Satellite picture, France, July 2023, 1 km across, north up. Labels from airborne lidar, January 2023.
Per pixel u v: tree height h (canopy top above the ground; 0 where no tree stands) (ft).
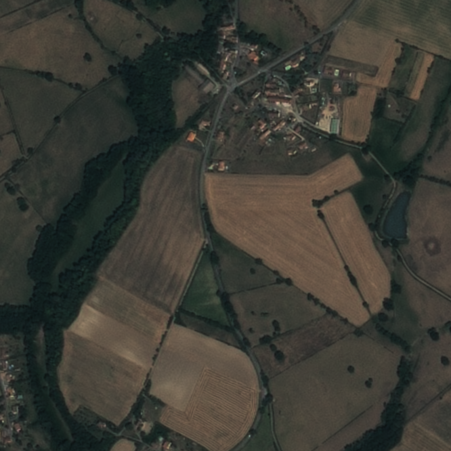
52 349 63
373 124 0
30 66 0
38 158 0
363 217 0
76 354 0
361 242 0
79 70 0
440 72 0
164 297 0
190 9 0
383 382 0
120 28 0
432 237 0
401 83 0
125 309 0
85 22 31
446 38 0
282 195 0
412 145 0
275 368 0
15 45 0
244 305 0
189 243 0
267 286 0
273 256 0
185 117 0
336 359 0
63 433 0
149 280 0
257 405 0
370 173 0
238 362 0
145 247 0
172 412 0
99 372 0
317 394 0
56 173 0
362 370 0
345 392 0
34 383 43
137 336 0
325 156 0
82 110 0
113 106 0
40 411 28
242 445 0
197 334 0
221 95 0
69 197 0
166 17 0
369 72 0
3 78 0
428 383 0
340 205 0
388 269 0
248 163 0
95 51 0
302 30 0
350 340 0
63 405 50
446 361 56
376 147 0
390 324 0
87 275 40
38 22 0
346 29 0
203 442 0
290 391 0
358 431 0
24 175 0
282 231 0
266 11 0
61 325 22
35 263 78
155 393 0
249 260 0
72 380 0
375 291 0
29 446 36
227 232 0
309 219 0
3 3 0
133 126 0
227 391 0
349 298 0
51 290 51
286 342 0
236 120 0
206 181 0
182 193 0
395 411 59
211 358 0
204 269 0
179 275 0
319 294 0
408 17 0
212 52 24
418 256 0
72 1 0
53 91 0
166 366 0
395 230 0
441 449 0
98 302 0
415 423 0
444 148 0
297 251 0
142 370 0
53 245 71
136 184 25
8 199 0
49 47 0
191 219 0
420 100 0
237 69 28
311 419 0
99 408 0
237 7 0
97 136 0
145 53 26
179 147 0
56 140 0
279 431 0
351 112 0
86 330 0
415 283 0
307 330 0
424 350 0
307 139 0
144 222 0
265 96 30
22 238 0
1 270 0
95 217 0
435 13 0
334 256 0
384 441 46
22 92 0
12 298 0
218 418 0
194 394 0
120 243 0
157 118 26
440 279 0
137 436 0
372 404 0
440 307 0
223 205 0
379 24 0
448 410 0
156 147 53
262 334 0
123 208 44
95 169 92
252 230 0
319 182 0
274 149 0
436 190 0
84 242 0
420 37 0
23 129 0
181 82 0
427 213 0
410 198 0
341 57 0
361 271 0
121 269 0
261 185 0
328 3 0
